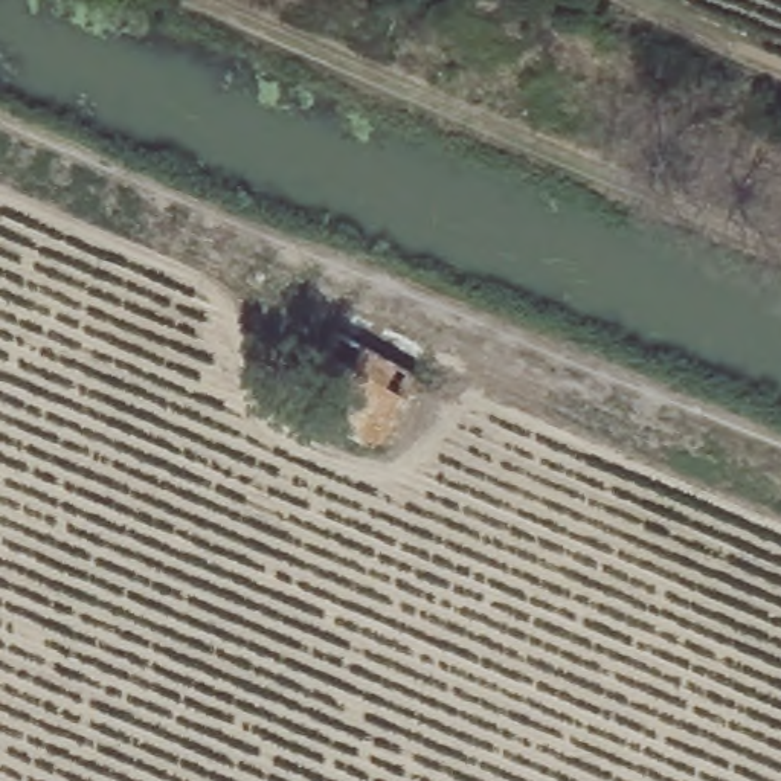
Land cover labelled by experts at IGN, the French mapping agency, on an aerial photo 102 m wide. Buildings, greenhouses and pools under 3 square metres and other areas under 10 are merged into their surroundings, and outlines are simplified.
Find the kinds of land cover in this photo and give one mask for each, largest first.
<instances>
[{"label":"vineyard","instance_id":"1","mask_svg":"<svg viewBox=\"0 0 781 781\"><path fill-rule=\"evenodd\" d=\"M598 15L607 12L613 3L616 9L632 12L638 21H650L662 31L680 34L744 67H754L757 73L781 79V0H592ZM241 305L198 268L162 256L149 247H140L134 241L98 229L79 217L58 211L49 201L31 198L0 183V781H781V516L760 509L741 497L714 491L668 467L647 464L601 439L574 433L570 427H558L546 418L488 400L482 391L473 387L464 391L455 403H442L436 424L418 442H412V448L400 452L391 461L354 458L336 445L299 442L290 427L275 430L259 415L256 400L241 384L244 360Z\"/></svg>","mask_w":781,"mask_h":781},{"label":"deciduous trees","instance_id":"2","mask_svg":"<svg viewBox=\"0 0 781 781\"><path fill-rule=\"evenodd\" d=\"M58 12H73V24L85 34H159L250 61L259 82V101L268 110L278 104V92L296 95L299 85H308L314 98H333L339 104V113L348 119L357 140H369L375 131H391L409 143L424 146L433 156L452 159L461 168H473L491 180L522 186L525 192L543 198L555 211H577L583 217L601 220L616 235L656 247L659 253L699 262L708 268L723 265L726 272L750 284H760L781 299V259L766 262L757 253L750 259L729 241H714L705 229L689 223H680L677 229H650L641 214H632L625 204L607 198L592 183L567 174L564 168L534 162L525 153L488 143L467 128H455L452 122H439L436 116L418 107H409L406 101L372 95L326 67L275 49L262 40H253L211 15L183 9V0H55ZM284 24L339 40L366 61L397 64L415 76H424L430 85L442 88L445 95H455L458 101L488 107L509 119H522L531 128L570 137L574 143L601 153L616 143L604 134L610 116L607 95L613 76L601 67L595 73L558 70V55L564 43H555L552 37L558 31L589 37L598 55L628 52L635 61V76L653 98H662L668 88L699 85L705 79L735 82V73L744 67L680 34L662 31L650 21H638L632 12L616 9L613 3L607 12L598 15L592 0H299L284 9ZM735 122L754 131L757 137L781 143V79L757 73L747 95V107ZM46 104L43 95H31L12 82H0V107L18 116L21 122L76 140L125 165L128 171L146 174L168 189L211 201L232 217L278 229L281 235L299 241L333 247L345 256L357 253L369 268L387 272L400 281H412L418 290L464 302L473 311L503 317L513 326L552 336L558 342H570L580 351L601 354L607 363H619L674 394H683L781 433V400L772 391L760 394L723 375H711L683 357L647 354L644 348L625 342L616 333L598 329L592 323H577L574 317L555 308L534 305L531 299L516 296L513 290L482 281L458 284L452 275L439 268L403 259L391 244L363 241L357 229L333 223L329 217L308 220L278 204L256 201L241 189H229L214 177L198 174L192 162L174 153H143L131 149L122 140H104L98 131L73 122L79 116L76 104H58L49 113L40 110ZM0 183L31 198L49 201L58 211L79 217L98 229L134 241L146 229V201L119 180L101 177L85 165H67L52 149H40L27 140H12L6 131H0ZM326 363L320 351L311 348L305 360L290 366H253L250 360H244L241 384L256 400L259 415L275 430L290 427L299 442L336 445L351 430V418H342L336 409L317 406Z\"/></svg>","mask_w":781,"mask_h":781},{"label":"water","instance_id":"3","mask_svg":"<svg viewBox=\"0 0 781 781\"><path fill-rule=\"evenodd\" d=\"M0 82H12L31 95H43L46 104L40 110L49 113L58 104H76L79 116L73 122L98 131L104 140H122L131 149L143 153H174L192 162L198 174L214 177L229 189H241L256 201L278 204L308 220L329 217L333 223L357 229L363 241L391 244L403 259L439 268L452 275L458 284L482 281L513 290L516 296L531 299L534 305L555 308L574 317L577 323H592L598 329L616 333L625 342L644 348L647 354L683 357L711 375H723L760 394L772 391L781 400V299L760 284H750L726 272L723 265L708 268L699 262L659 253L656 247L616 235L601 220L583 217L577 211H555L543 198L525 192L522 186L491 180L473 168H461L452 159L433 156L424 146L409 143L391 131H375L369 140H357L348 119L339 113V104L333 98H314L308 85H299L296 95L278 92V104L268 110L259 101V82L250 61L159 34H85L73 24V12H58L55 0H0Z\"/></svg>","mask_w":781,"mask_h":781},{"label":"herbaceous vegetation","instance_id":"4","mask_svg":"<svg viewBox=\"0 0 781 781\"><path fill-rule=\"evenodd\" d=\"M555 43H564L558 55V70L595 73L601 67L613 76L607 95L610 116L604 134L616 143L601 153L604 159L622 165L625 174H638L647 183H674L677 192L686 195L693 204L711 201L714 207L729 211V220L750 226L763 244L781 238V143L757 137L754 131L735 122L747 107V95L757 73L754 67H744L735 73V82L705 79L699 85L668 88L662 98H653L635 76V61L628 52L598 55L589 37L558 31L552 37ZM146 229L134 241L140 247H149L162 256L198 268L241 305L244 360H250L253 366H290L305 360L311 348L320 351L333 342V336H345L348 342H360L366 351L391 360L394 366L409 369V378H403L400 391L409 400V412H400L391 436L381 445H363L354 442L351 430L336 445L354 458L391 461L400 452L412 448V442H418L436 424L442 403H455L464 391L473 387L482 391L488 400L546 418L558 427H570L574 433L601 439L647 464L668 467L714 491L741 497L760 509L781 516V448L732 433L705 418L677 412L674 406L683 394H674L619 363H607L601 354L580 351L570 342H558L552 336L513 326L503 317L488 314L476 333L448 326L427 317L415 302L381 296L369 284L333 281L317 265H290L272 247L256 250L250 244H241L235 229L204 226L189 217L186 207L177 204L156 207L146 201Z\"/></svg>","mask_w":781,"mask_h":781},{"label":"pervious surface","instance_id":"5","mask_svg":"<svg viewBox=\"0 0 781 781\"><path fill-rule=\"evenodd\" d=\"M299 0H183V9L211 15L253 40H262L275 49L326 67L372 95L406 101L409 107H418L436 116L439 122H452L455 128H467L488 143L525 153L534 162L564 168L567 174L592 183L607 198L625 204L632 214H641L650 229H677L680 223H689L705 229L714 241H729L750 259L757 253L766 262L781 259V238L763 244L750 226L729 220V211L714 207L711 201L693 204L686 195L677 192L674 183H647L638 174H625L622 165L604 159L601 153L574 143L570 137L531 128L522 119H509L488 107L458 101L455 95H445L442 88L430 85L424 76H415L397 64L366 61L339 40L284 24V9ZM0 131H6L12 140H27L40 149H52L67 165H85L101 177L119 180L146 201L156 207L177 204L186 207L189 217L204 226L235 229L241 244H250L256 250L272 247L290 265H317L333 281L369 284L381 296L415 302L427 317L448 326L476 333L488 314L473 311L464 302L418 290L412 281H400L387 272L369 268L357 253L345 256L333 247L299 241L281 235L278 229L232 217L211 201L168 189L146 174L128 171L125 165L76 140L21 122L18 116L0 107ZM677 412L705 418L732 433L781 448V433L683 394L674 406Z\"/></svg>","mask_w":781,"mask_h":781},{"label":"building","instance_id":"6","mask_svg":"<svg viewBox=\"0 0 781 781\"><path fill-rule=\"evenodd\" d=\"M326 363L317 406L336 409L342 418H351V430L354 442L363 445H381L391 436L400 412H409V400L400 391L403 378H409V369L394 366L391 360L366 351L360 342H348L345 336H333V342L320 351Z\"/></svg>","mask_w":781,"mask_h":781}]
</instances>
